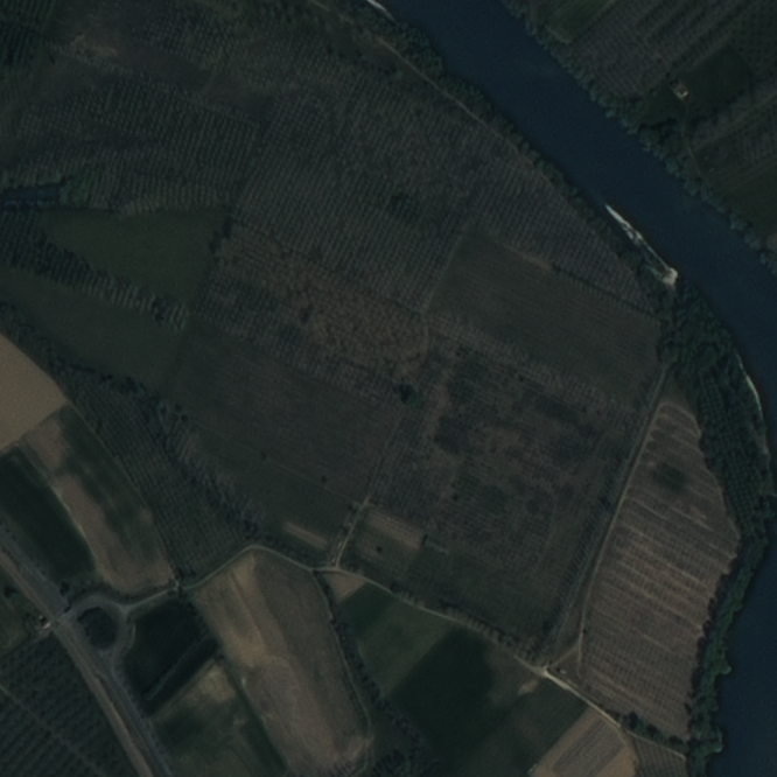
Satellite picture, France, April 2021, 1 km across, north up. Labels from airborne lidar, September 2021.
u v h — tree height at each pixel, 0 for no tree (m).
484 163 22
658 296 16
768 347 0
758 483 26
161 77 0
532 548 19
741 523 24
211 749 0
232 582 0
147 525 0
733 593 29
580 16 0
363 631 0
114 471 0
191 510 14
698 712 9
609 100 16
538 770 0
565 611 25
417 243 24
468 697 0
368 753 0
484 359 18
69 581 0
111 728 11
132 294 23
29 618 10
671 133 16
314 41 19
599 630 13
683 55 11
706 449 12
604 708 9
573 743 0
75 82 0
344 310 24
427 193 19
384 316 22
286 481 0
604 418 20
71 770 8
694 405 15
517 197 20
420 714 0
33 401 0
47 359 21
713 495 11
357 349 24
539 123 0
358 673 11
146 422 18
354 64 9
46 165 22
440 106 11
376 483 21
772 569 0
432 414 17
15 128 15
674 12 12
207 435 0
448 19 0
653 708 12
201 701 0
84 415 20
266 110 0
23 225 27
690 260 0
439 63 17
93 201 13
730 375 27
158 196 33
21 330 21
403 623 0
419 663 0
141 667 0
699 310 29
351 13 20
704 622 9
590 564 25
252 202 27
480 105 27
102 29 0
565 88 0
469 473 8
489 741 0
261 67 11
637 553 16
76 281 25
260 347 21
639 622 13
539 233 22
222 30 22
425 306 28
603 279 21
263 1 21
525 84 0
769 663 0
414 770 18
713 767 0
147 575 0
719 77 0
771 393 0
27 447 0
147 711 0
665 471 13
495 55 0
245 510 22
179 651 0
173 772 7
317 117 25
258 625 0
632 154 0
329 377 17
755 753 0
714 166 0
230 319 20
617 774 0
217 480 23
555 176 16
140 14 0
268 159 24
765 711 0
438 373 21
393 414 20
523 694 0
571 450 6
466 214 22
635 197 0
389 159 24
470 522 9
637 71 11
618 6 11
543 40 19
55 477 0
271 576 0
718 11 12
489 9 0
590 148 0
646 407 23
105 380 9
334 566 0
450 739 0
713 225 0
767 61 9
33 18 21
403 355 23
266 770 0
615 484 22
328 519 0
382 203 24
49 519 0
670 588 12
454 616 24
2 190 7
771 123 13
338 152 13
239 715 0
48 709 8
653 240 0
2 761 9
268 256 24
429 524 20
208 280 18
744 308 0
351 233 24
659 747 16
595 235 23
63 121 18
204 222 7
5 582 0
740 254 0
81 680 8
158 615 0
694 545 14
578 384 18
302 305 22
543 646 17
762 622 0
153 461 21
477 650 0
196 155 21
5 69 28
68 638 0
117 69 22
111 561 0
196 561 11
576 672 0
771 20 9
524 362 22
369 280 19
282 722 0
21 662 7
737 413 35
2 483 0
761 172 5
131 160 26
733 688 0
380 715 14
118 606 0
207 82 0
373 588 0
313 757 0
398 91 12
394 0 0
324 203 27
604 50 11
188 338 10
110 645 9
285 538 0
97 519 0
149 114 19
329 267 24
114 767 11
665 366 20
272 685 0
